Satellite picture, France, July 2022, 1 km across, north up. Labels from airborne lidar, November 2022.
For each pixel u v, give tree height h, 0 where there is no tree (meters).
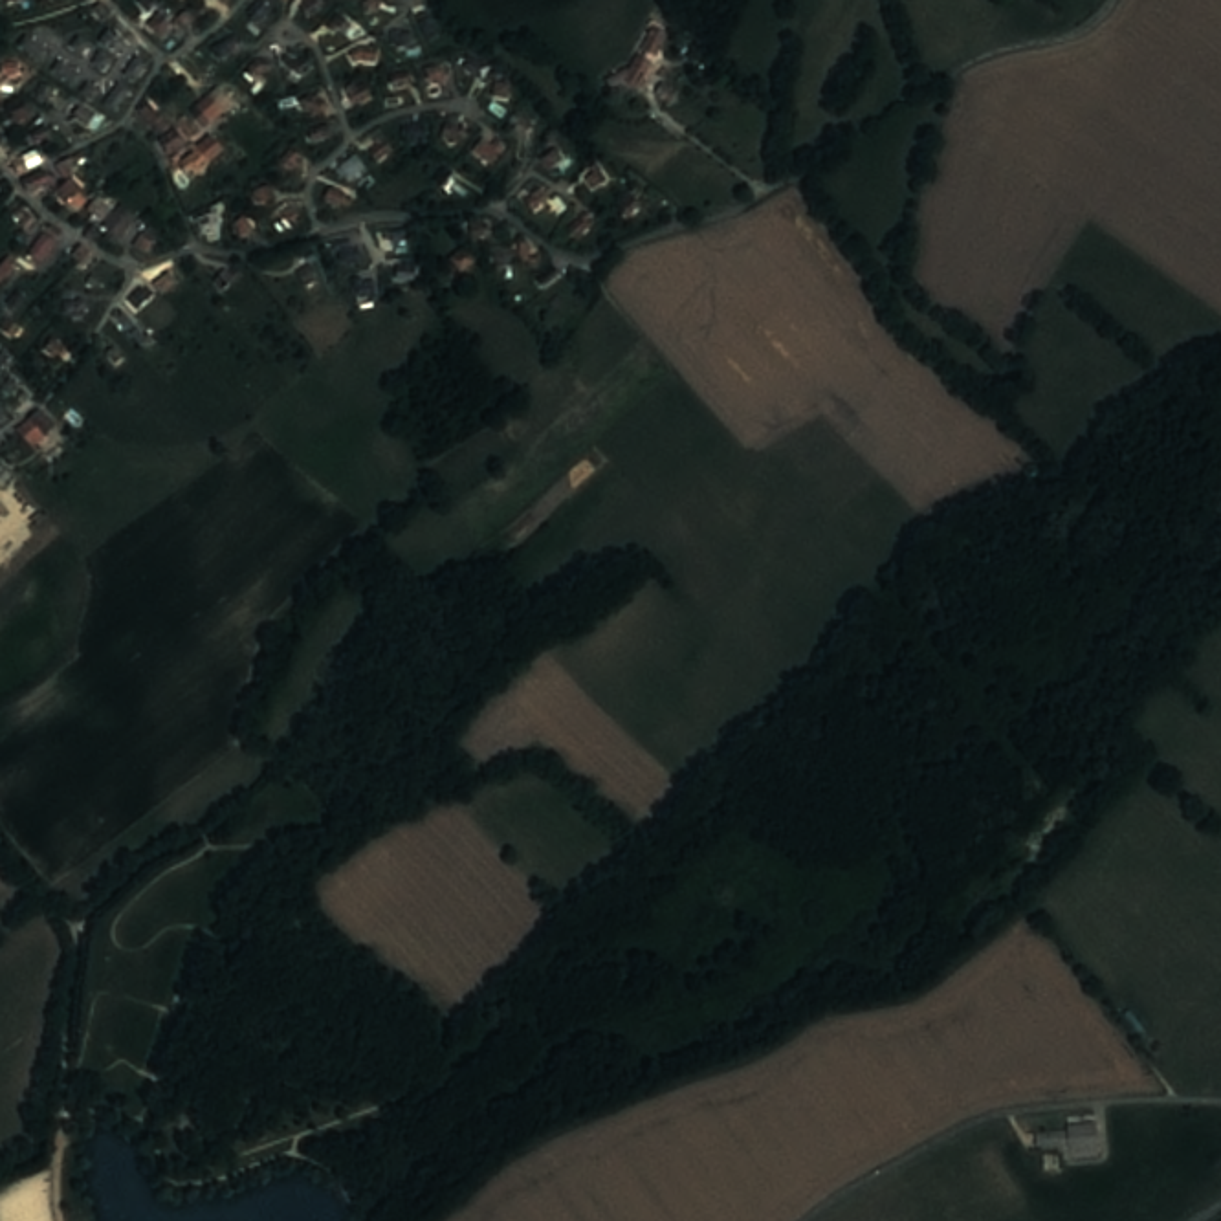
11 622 0
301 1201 0
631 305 0
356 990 20
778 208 0
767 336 0
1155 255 0
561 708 0
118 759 0
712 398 0
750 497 0
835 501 0
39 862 0
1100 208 0
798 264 0
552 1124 20
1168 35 0
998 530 24
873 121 12
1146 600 21
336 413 0
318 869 16
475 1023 17
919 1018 0
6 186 7
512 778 19
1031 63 0
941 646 18
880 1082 0
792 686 23
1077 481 24
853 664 6
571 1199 0
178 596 0
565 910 24
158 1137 20
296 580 0
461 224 9
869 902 0
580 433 0
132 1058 0
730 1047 19
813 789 24
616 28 0
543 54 21
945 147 11
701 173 0
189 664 0
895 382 0
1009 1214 0
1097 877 0
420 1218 21
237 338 0
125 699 0
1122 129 0
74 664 0
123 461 0
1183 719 0
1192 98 0
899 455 0
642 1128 0
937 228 0
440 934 0
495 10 0
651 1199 0
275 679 15
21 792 0
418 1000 26
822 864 17
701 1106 0
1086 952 0
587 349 0
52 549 0
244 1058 28
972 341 21
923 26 0
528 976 17
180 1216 0
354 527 0
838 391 0
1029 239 0
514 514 0
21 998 0
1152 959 0
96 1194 0
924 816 21
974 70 0
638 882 21
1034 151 0
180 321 0
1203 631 28
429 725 23
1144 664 26
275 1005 25
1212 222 0
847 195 0
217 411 0
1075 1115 0
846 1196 0
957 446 0
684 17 27
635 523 0
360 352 0
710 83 13
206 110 0
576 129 21
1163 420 10
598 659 0
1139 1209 0
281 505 0
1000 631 23
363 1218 7
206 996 24
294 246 15
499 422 19
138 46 0
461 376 10
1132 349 16
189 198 0
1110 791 25
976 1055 0
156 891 0
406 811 26
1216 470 17
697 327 0
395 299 13
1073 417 0
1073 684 10
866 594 17
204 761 0
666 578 11
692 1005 0
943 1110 0
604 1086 21
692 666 0
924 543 25
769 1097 0
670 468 0
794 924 0
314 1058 26
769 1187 0
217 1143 18
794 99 17
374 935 0
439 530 0
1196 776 0
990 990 0
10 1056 0
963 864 26
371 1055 22
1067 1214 0
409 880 0
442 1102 20
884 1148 0
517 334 0
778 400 0
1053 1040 0
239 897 25
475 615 22
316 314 0
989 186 0
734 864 0
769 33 0
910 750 19
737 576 0
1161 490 13
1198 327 0
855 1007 18
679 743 0
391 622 27
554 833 0
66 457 6
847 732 21
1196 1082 0
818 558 0
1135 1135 0
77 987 14
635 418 0
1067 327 0
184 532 0
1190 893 0
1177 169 0
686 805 28
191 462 0
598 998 21
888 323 17
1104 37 0
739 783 23
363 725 25
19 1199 0
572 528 0
